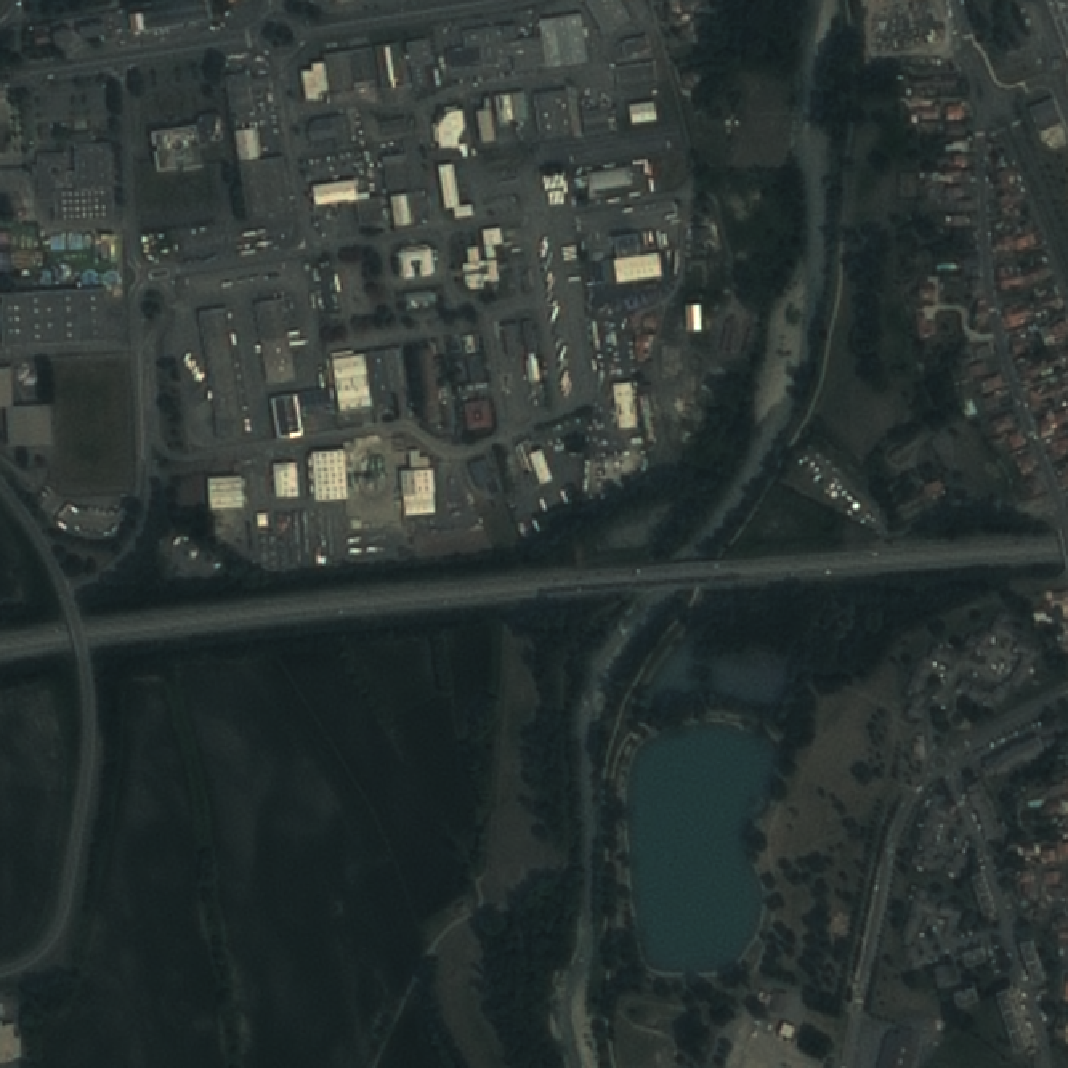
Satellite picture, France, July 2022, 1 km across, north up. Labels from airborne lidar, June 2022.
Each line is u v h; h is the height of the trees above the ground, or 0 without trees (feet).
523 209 0
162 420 0
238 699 0
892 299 0
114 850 0
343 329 21
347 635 37
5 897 0
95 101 0
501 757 0
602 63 0
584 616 65
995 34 20
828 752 0
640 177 0
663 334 0
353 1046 0
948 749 0
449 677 56
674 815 0
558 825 53
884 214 0
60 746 0
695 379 0
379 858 0
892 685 0
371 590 0
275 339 0
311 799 0
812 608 72
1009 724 0
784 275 44
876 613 89
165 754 0
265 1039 0
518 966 67
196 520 30
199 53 0
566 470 0
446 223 0
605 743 45
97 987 0
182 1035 0
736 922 0
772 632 77
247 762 0
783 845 0
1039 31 0
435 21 0
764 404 0
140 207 0
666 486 91
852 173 35
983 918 39
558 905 41
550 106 0
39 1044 0
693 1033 60
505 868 0
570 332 0
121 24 0
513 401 0
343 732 0
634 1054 0
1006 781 0
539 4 0
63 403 0
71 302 0
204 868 31
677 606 58
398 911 0
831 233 45
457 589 0
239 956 0
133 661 36
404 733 0
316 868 0
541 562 26
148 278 0
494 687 0
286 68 0
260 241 0
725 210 0
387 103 0
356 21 0
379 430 0
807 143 0
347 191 0
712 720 0
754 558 0
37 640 0
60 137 37
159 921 0
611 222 0
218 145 0
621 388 0
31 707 0
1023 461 0
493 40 0
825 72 64
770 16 67
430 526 0
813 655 85
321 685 0
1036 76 0
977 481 0
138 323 0
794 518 0
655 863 0
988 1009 0
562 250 0
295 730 0
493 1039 0
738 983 44
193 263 0
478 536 0
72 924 0
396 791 0
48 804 0
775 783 62
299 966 0
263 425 0
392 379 0
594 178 0
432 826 0
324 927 0
